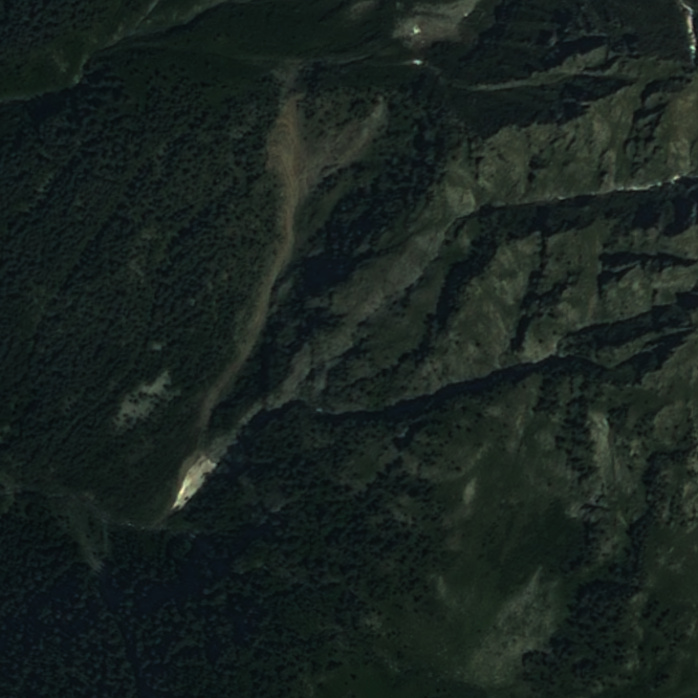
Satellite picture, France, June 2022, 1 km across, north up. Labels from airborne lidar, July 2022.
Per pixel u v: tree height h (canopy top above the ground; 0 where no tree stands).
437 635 0
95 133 20
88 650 22
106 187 22
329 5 0
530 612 0
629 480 0
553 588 0
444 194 8
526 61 0
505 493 0
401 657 9
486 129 0
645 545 8
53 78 8
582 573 20
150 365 8
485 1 0
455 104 0
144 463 10
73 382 28
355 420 8
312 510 7
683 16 0
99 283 21
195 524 11
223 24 0
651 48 0
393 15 0
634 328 0
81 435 18
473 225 0
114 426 13
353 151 0
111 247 13
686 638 10
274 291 7
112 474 6
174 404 9
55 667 14
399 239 0
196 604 13
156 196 16
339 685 0
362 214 0
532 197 0
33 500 11
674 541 0
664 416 0
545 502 0
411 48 0
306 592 9
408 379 7
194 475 0
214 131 6
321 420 8
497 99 0
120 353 14
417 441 9
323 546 8
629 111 0
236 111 7
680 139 0
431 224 0
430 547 7
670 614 10
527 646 0
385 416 8
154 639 17
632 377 0
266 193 6
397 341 0
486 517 0
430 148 6
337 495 15
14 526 18
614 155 0
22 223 19
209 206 6
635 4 0
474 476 0
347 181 8
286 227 0
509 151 0
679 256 0
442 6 0
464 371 0
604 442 0
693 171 0
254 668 8
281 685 7
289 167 0
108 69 9
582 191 0
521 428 0
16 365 23
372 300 0
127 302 15
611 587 8
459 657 0
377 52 0
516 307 0
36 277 21
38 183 12
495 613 0
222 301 22
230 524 7
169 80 12
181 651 6
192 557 6
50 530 13
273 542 17
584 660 9
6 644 16
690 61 0
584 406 8
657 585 0
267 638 10
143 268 9
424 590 5
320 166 0
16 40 29
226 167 8
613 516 0
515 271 0
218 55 0
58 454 19
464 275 9
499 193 0
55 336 15
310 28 0
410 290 0
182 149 16
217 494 10
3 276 31
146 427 10
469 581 0
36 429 25
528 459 0
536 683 10
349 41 0
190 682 10
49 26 25
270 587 7
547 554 9
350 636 14
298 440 14
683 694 0
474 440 0
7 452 22
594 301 0
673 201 0
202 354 12
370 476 0
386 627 0
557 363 8
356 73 0
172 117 14
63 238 22
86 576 6
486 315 0
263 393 11
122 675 32
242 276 9
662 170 0
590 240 0
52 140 21
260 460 10
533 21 0
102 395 12
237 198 7
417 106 7
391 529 19
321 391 0
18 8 29
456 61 0
